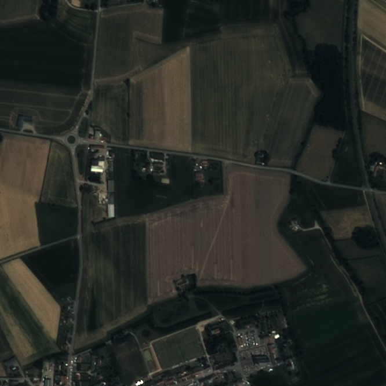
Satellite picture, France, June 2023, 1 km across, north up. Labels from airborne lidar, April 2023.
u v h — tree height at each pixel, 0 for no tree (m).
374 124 0
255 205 0
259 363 0
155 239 0
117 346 0
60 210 0
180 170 0
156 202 0
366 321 0
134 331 0
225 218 0
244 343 0
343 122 32
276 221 0
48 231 0
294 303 0
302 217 0
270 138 0
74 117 0
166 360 0
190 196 0
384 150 0
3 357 0
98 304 0
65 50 0
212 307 0
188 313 0
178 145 0
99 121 0
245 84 0
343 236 0
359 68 0
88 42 0
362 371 0
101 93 0
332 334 0
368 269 0
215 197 0
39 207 0
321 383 0
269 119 0
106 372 0
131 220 0
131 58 0
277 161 0
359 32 0
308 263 0
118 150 0
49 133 0
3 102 0
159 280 0
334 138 0
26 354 0
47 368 0
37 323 0
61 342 0
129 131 0
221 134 0
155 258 0
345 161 0
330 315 0
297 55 0
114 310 0
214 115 0
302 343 0
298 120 0
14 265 0
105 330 0
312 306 0
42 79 0
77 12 0
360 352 0
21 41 0
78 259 0
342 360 0
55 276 0
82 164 0
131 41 0
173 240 0
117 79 0
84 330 0
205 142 0
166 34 0
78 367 0
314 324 0
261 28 0
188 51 0
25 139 0
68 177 0
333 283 0
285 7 0
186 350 0
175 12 0
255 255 0
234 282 0
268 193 0
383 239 0
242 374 0
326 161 0
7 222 0
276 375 0
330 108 32
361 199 0
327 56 32
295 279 0
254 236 0
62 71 0
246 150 0
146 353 0
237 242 0
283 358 8
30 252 0
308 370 0
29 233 0
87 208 0
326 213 0
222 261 0
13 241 0
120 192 0
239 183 0
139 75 0
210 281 0
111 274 0
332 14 0
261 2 0
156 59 0
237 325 7
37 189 0
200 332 0
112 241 0
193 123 0
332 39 0
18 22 0
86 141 0
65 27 0
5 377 0
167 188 0
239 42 0
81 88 0
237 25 0
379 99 0
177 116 0
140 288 0
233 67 0
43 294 0
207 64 0
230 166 0
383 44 0
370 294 0
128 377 0
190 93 0
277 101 0
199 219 0
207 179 0
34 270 0
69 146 0
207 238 0
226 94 0
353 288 0
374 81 0
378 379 0
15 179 0
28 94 0
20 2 0
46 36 0
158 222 0
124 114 0
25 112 0
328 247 0
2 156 0
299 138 0
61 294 0
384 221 0
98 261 0
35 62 0
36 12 0
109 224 0
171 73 0
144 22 0
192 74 0
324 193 0
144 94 0
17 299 0
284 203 0
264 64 0
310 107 0
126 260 0
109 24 0
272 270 0
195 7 0
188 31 0
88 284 0
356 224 0
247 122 0
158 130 0
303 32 0
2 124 0
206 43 0
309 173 0
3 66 0
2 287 0
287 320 8
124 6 0
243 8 0
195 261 0
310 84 0
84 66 0
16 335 0
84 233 0
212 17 0
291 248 0
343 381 0
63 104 0
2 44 0
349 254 0
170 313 0
